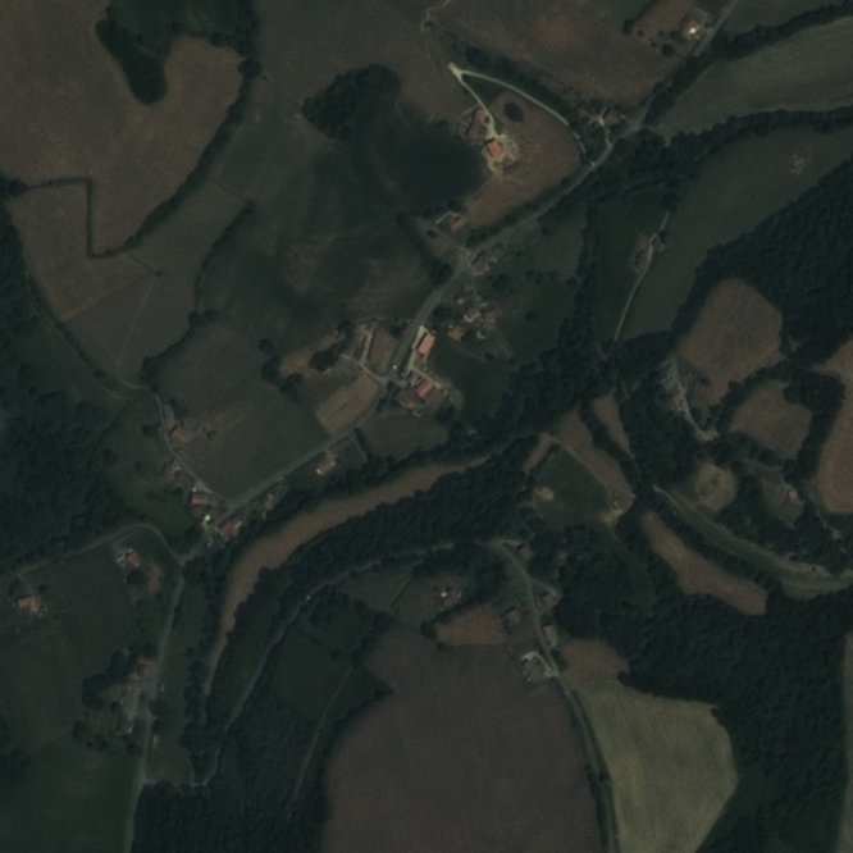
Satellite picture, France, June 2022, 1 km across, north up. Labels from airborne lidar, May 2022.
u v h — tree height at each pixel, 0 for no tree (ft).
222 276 0
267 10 0
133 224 0
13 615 0
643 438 43
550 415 73
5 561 30
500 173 0
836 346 37
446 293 0
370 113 0
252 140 0
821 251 73
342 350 18
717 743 0
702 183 0
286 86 0
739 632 33
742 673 64
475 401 0
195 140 0
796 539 36
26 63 0
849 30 0
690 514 0
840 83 0
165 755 0
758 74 0
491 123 0
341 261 0
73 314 0
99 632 0
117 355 0
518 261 0
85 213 0
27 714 0
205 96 0
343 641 0
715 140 67
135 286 0
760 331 0
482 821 0
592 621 86
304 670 0
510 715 0
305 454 0
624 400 45
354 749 0
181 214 0
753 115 40
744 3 0
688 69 42
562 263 0
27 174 0
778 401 0
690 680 74
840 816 0
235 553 69
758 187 0
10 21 0
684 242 0
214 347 0
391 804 0
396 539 57
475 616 0
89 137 0
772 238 50
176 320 0
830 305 58
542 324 0
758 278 68
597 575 73
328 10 0
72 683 0
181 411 21
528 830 0
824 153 0
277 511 34
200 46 0
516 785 0
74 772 0
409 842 0
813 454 46
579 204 30
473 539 29
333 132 42
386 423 0
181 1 0
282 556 0
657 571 50
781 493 0
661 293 0
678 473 34
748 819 23
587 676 0
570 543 60
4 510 97
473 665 0
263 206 0
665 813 0
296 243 0
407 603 0
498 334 0
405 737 0
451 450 66
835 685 29
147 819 42
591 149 27
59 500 61
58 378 0
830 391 63
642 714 0
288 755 21
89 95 0
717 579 0
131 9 0
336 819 0
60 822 0
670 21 0
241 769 44
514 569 0
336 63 0
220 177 0
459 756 0
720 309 0
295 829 51
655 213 0
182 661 0
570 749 0
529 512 57
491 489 66
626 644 70
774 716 64
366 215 0
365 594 0
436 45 0
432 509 77
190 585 30
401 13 0
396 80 26
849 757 0
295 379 39
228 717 23
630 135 0
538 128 0
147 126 0
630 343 48
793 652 30
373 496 0
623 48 0
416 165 0
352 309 0
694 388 0
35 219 0
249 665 0
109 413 37
